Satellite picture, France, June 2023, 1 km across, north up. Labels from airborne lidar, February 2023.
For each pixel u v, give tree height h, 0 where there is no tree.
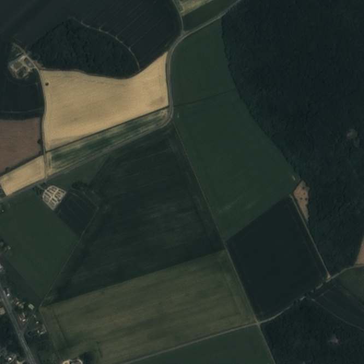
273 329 14
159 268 0
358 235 21
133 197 0
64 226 0
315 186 16
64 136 0
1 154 0
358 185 21
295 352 23
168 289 0
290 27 21
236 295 0
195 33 0
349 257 19
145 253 0
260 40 19
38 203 0
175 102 0
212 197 0
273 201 0
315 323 12
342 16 21
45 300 0
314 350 28
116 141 0
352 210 22
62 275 0
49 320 0
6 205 0
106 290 0
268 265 0
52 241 0
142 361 0
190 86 0
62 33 13
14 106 0
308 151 16
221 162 0
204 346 0
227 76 0
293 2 20
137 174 0
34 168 0
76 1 0
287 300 0
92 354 0
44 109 0
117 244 0
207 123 0
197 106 0
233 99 0
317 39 20
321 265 0
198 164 0
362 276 0
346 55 18
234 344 0
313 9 23
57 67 18
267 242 0
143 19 0
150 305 0
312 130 17
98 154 0
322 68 18
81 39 22
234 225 0
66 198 0
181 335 0
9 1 0
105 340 0
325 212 21
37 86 0
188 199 0
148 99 0
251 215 0
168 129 0
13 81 0
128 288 0
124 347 0
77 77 0
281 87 13
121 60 15
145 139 0
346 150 15
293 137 12
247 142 0
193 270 0
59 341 0
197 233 0
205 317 0
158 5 0
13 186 0
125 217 0
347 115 25
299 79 15
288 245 0
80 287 0
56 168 0
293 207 0
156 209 0
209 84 0
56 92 0
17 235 0
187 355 0
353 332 22
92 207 0
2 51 0
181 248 0
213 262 0
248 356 0
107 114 0
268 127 19
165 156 0
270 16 22
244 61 18
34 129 0
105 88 0
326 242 19
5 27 0
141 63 0
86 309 0
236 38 20
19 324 0
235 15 19
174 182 0
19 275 0
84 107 0
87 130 0
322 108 23
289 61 17
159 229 0
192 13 0
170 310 0
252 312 0
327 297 0
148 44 0
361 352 24
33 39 0
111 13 0
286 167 0
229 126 0
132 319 0
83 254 0
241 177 0
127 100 0
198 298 0
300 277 0
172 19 0
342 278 0
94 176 0
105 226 0
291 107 19
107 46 18
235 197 0
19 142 0
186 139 0
